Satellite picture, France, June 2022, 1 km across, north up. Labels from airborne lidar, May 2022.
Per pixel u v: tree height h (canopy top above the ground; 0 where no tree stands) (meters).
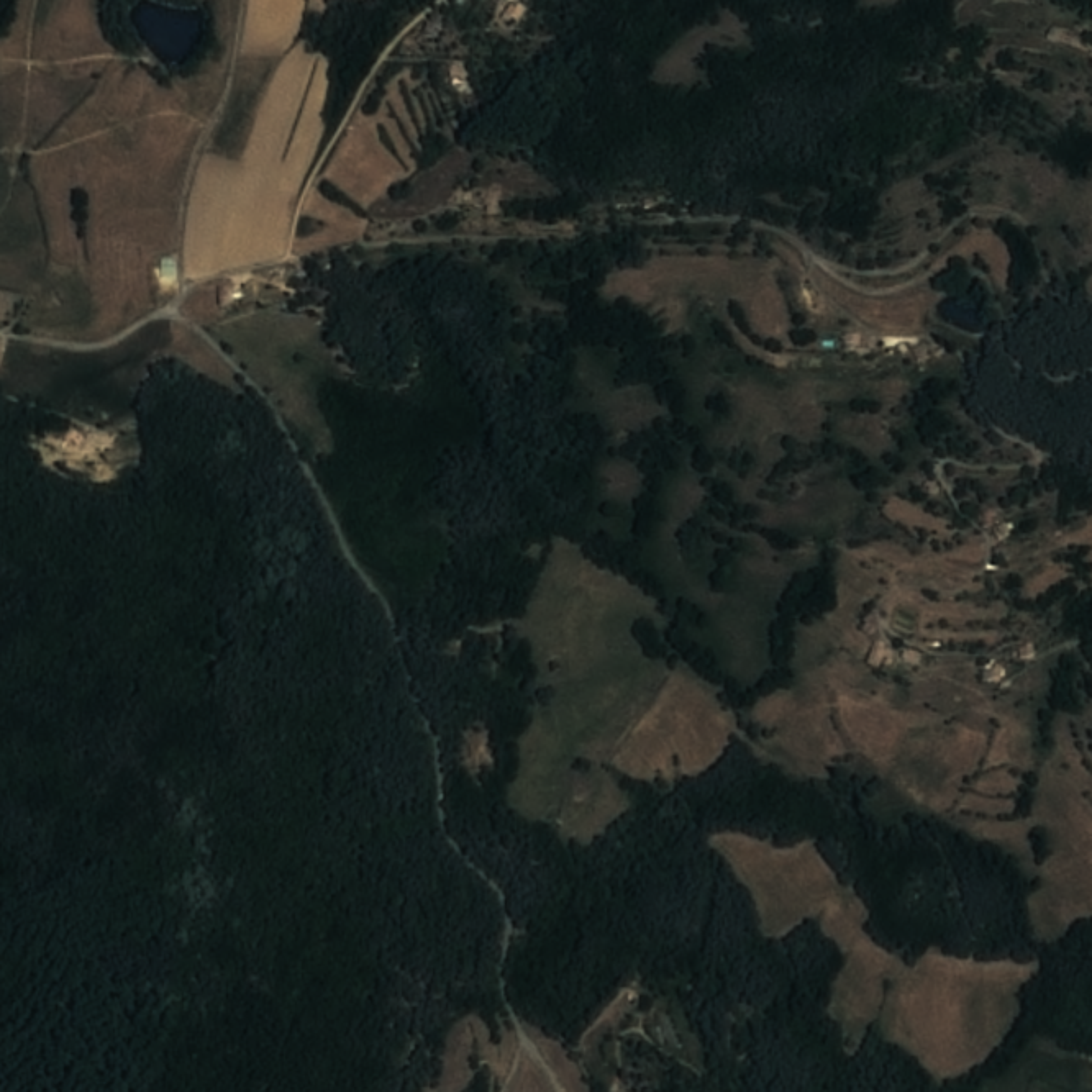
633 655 0
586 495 12
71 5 0
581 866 18
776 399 0
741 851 0
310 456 14
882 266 13
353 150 0
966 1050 0
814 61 12
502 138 27
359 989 12
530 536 11
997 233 14
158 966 26
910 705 0
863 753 0
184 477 14
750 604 0
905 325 0
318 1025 8
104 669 18
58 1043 25
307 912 19
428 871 19
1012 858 11
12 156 0
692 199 14
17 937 24
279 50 0
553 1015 15
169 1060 18
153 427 15
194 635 16
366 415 7
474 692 19
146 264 0
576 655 0
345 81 10
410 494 7
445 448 9
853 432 0
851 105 19
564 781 0
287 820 21
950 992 0
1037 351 17
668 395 18
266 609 17
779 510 0
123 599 17
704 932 8
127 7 6
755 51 9
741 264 0
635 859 12
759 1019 13
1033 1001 19
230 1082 16
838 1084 13
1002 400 14
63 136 0
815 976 10
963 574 0
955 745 0
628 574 8
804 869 0
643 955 12
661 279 0
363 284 19
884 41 13
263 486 17
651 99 15
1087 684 11
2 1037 28
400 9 8
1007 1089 0
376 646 18
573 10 14
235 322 0
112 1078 23
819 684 0
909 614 0
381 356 13
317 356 0
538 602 0
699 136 15
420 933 13
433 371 7
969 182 7
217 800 18
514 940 8
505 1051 0
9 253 0
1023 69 10
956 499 9
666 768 0
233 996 13
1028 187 0
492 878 9
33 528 15
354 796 20
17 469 17
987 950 6
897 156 10
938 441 10
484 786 16
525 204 12
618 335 14
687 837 22
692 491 0
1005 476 0
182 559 16
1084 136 7
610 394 0
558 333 15
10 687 18
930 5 12
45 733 16
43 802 14
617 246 16
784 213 11
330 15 10
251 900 20
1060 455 13
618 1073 7
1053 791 0
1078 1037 10
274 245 0
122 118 0
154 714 18
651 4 15
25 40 0
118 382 0
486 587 13
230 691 26
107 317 0
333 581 22
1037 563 0
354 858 23
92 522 12
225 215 0
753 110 13
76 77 0
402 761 21
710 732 0
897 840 25
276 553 20
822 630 0
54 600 15
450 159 0
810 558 0
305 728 19
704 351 0
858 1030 0
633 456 12
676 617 15
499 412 23
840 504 0
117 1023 31
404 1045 8
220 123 0
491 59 6
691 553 12
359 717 21
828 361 0
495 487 17
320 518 21
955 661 0
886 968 0
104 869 25
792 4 15
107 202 0
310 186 0
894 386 0
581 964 15
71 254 0
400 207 0
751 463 10
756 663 0
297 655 12
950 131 9
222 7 0
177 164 0
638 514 11
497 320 22
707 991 16
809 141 14
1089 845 0
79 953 26
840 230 11
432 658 24
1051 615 13
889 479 9
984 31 12
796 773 0
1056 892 0
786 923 0
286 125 0
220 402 18
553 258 19
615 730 0
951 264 14
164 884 20
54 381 0
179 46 0
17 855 16
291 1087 13
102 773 15
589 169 13
